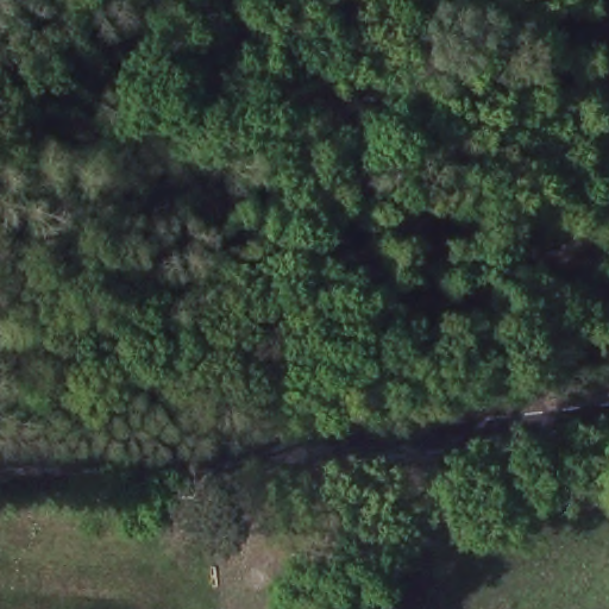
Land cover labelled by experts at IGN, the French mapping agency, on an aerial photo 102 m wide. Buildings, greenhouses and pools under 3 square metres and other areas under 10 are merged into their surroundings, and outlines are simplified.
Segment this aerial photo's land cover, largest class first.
<instances>
[{"label":"deciduous trees","instance_id":"1","mask_svg":"<svg viewBox=\"0 0 609 609\"><path fill-rule=\"evenodd\" d=\"M604 385L609 388V0H0V452L5 457H31L43 452L45 457L55 459H81L98 452L109 457L98 471L79 476L71 483H67L59 473L0 476V519L14 521L21 509H29L33 502L40 500L38 509L45 516L64 519L81 528L86 535L112 533L117 540H128L138 533H143V538H157L164 530L162 519L169 516V523L190 545L200 550H216L228 559L243 550L247 535H264L274 554L281 559L278 573L271 578L266 588H262V597H266V609H409L407 597L419 588V583L414 578V571L400 569L407 559V547L400 540L419 538L414 519L419 514H426L433 526H447L452 542L462 552L500 554L504 559H511L526 552L538 540L540 533L530 530V526L540 516H547L552 511V504L559 497L569 502L566 519H576L580 514L583 502H595L604 509V514H609V414L595 419H576L571 423L559 421L554 426V433H550L540 445H535L533 438H528L521 423L511 426V442L504 435L492 438L490 442L473 438L466 450L454 452L445 459V471H438L435 478L419 471L416 466H390L383 457L364 462L359 457H347L340 464L328 462L324 469L316 466L309 473L288 466L271 469L269 464L255 459L245 462L238 471L216 476L207 473L205 478H183L181 473L171 471L155 478H143L136 473V464H174L183 457L231 462L236 457L247 454L252 440H302L316 438L319 433L343 435L354 423L369 426L378 435H409V431L416 423L423 426L435 421H454L469 414L471 409H521L535 395H542L550 404H559L564 400H571L573 395L595 397Z\"/></svg>","mask_w":609,"mask_h":609},{"label":"herbaceous vegetation","instance_id":"2","mask_svg":"<svg viewBox=\"0 0 609 609\"><path fill-rule=\"evenodd\" d=\"M569 502L559 497L552 504V511L547 516H540L530 526V530L540 533L538 540L526 552L511 559H504L500 554L462 552L452 542L447 526H433L426 514H419L414 519L419 538L400 540L407 547V559L400 569L414 571V578L419 583V588L407 597L409 609H609V514H604V509L595 502H583L580 514L576 519H566ZM40 500L33 502L29 509H21L14 521L0 519V609H266V597H262V588H266L271 578L278 573L281 559L274 554L264 535H247L243 550L228 559L216 550H200L190 545L169 523V516L162 519L164 530L157 538H143V533H138L128 540H117L112 533L86 535L81 528L64 519L45 516L38 509Z\"/></svg>","mask_w":609,"mask_h":609},{"label":"impervious surface","instance_id":"3","mask_svg":"<svg viewBox=\"0 0 609 609\"><path fill-rule=\"evenodd\" d=\"M609 414V388L604 385L595 397L573 395L571 400H564L559 404H550L542 395H535L521 409H471L469 414L454 421H435L423 426L416 423L409 431V435H378L369 426L354 423L343 435L319 433L316 438L302 440H252L247 454L236 457L231 462L183 457L174 464H136V473L143 478H155L171 471L181 473L183 478H205L207 473L216 476L238 471L245 462L255 459L269 464L271 469L288 466L309 473L316 466L324 469L328 462L340 464L347 457H359L364 462L383 457L390 466H416L419 471L435 478L438 471H445V459L454 452L466 450L473 438L490 442L492 438L504 435L511 442V426L521 423L528 438H533L535 445H540L550 433H554V426L559 421L571 423L576 419H595ZM109 457L98 452L81 459H55L45 457L43 452L31 457H5L0 452V476L59 473L67 483H71L79 476L98 471Z\"/></svg>","mask_w":609,"mask_h":609}]
</instances>
